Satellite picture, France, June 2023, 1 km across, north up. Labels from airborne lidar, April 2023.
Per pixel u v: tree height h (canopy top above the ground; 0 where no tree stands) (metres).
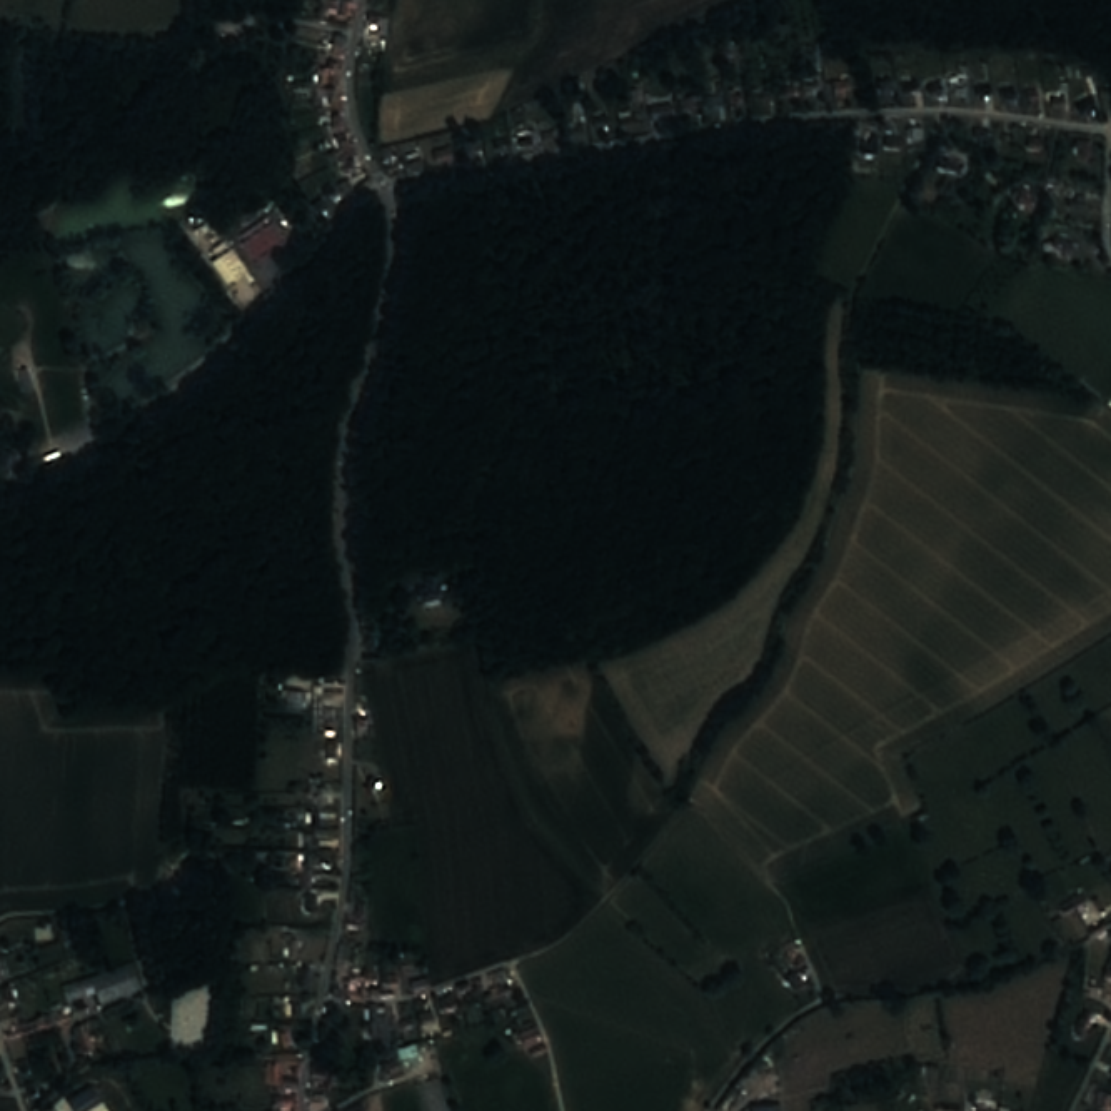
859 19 14
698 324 18
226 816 14
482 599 17
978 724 0
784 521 15
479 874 0
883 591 0
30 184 15
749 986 0
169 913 29
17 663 20
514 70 0
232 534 21
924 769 0
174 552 21
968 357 15
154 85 18
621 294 16
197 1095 8
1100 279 0
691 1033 0
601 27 0
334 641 24
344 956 0
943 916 0
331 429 19
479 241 23
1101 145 8
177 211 0
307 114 0
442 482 25
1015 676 0
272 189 14
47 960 0
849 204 0
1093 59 18
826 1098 7
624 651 12
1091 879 0
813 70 12
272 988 0
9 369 0
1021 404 0
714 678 0
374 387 18
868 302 6
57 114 18
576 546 21
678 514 21
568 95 12
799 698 0
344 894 0
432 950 0
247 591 23
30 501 20
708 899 0
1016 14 19
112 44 10
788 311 16
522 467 21
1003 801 0
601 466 22
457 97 0
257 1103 0
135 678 21
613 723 0
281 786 0
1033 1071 0
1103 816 0
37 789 0
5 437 9
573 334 15
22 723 0
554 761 0
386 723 0
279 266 10
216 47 16
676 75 6
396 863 0
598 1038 0
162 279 0
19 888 0
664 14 0
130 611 22
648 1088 0
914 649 0
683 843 0
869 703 0
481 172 19
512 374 18
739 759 0
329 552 22
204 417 16
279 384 16
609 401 18
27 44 14
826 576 0
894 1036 0
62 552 22
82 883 0
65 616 23
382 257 15
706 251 23
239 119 8
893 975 0
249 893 0
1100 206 0
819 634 0
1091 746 0
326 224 15
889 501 0
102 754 0
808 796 0
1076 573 0
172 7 0
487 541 24
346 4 0
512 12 0
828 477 0
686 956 0
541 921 0
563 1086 0
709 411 20
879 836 16
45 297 0
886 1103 0
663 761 0
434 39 0
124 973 0
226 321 8
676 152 16
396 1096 0
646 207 19
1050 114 0
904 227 0
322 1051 16
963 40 15
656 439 22
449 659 0
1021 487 0
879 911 0
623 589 20
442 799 0
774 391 22
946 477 0
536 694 0
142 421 16
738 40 8
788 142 20
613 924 0
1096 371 0
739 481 22
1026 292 0
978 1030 0
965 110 0
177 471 18
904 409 0
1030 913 0
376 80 7
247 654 21
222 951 21
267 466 20
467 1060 0
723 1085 0
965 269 0
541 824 0
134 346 14
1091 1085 0
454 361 19
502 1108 0
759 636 0
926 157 11
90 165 22
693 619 8
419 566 17
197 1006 0
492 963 0
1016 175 11
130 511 20
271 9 15
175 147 19
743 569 18
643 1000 0
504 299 19
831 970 0
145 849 0
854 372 7
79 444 0
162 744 0
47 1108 9
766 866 0
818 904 0
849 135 16
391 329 18
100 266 0
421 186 16
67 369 0
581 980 0
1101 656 0
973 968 14
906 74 0
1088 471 0
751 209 24
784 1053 0
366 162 0
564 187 16
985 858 0
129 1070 15
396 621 11
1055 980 0
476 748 0
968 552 0
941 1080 0
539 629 22
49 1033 6
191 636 25
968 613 0
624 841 0
